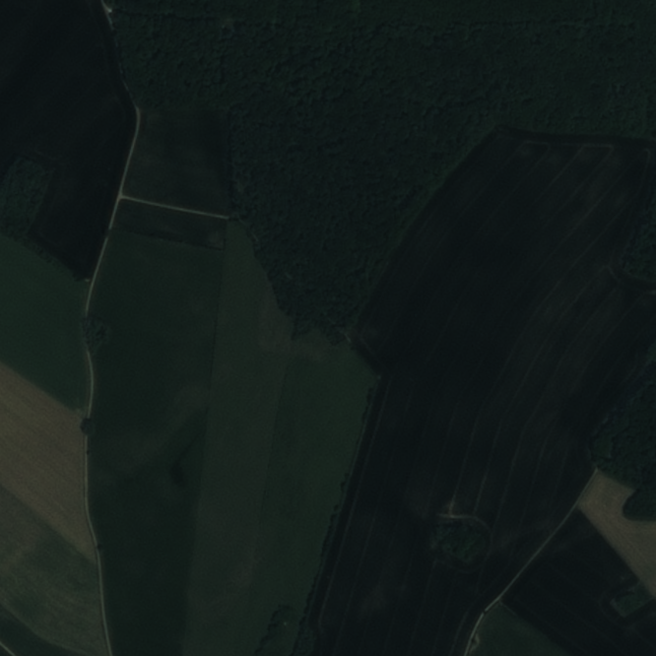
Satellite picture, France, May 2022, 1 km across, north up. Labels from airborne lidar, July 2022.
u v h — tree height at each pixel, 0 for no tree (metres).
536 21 12
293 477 0
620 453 20
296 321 13
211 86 16
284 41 20
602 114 19
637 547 0
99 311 0
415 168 28
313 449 0
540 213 0
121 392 0
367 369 0
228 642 0
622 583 0
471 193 0
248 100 21
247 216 20
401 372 0
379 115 23
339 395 0
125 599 0
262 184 20
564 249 0
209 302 0
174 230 0
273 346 0
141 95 21
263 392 0
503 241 0
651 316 0
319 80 24
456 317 0
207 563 0
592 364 0
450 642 0
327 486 0
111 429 0
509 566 0
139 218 0
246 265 0
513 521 0
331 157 26
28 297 0
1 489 0
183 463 0
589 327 0
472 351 0
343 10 20
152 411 0
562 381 0
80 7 0
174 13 21
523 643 0
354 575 0
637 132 21
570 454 0
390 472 0
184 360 0
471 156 0
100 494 0
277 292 12
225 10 24
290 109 27
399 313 0
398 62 21
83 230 0
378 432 0
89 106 0
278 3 16
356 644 0
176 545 0
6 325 0
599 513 0
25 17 0
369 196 24
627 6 24
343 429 0
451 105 12
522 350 0
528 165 0
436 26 10
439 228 0
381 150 24
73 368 0
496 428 0
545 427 0
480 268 0
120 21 20
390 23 12
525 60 21
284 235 20
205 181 0
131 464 0
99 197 0
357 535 0
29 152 0
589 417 0
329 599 0
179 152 0
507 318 0
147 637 0
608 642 0
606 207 0
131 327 0
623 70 24
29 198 14
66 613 0
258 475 0
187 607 0
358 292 17
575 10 14
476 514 0
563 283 0
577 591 0
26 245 6
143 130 0
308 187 21
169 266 0
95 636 0
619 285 0
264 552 0
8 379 0
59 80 0
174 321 0
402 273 0
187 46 22
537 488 0
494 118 18
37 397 0
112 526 0
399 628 0
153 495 0
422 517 0
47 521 0
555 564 0
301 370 0
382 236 24
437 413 0
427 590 0
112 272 0
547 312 0
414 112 21
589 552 0
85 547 0
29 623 0
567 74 25
